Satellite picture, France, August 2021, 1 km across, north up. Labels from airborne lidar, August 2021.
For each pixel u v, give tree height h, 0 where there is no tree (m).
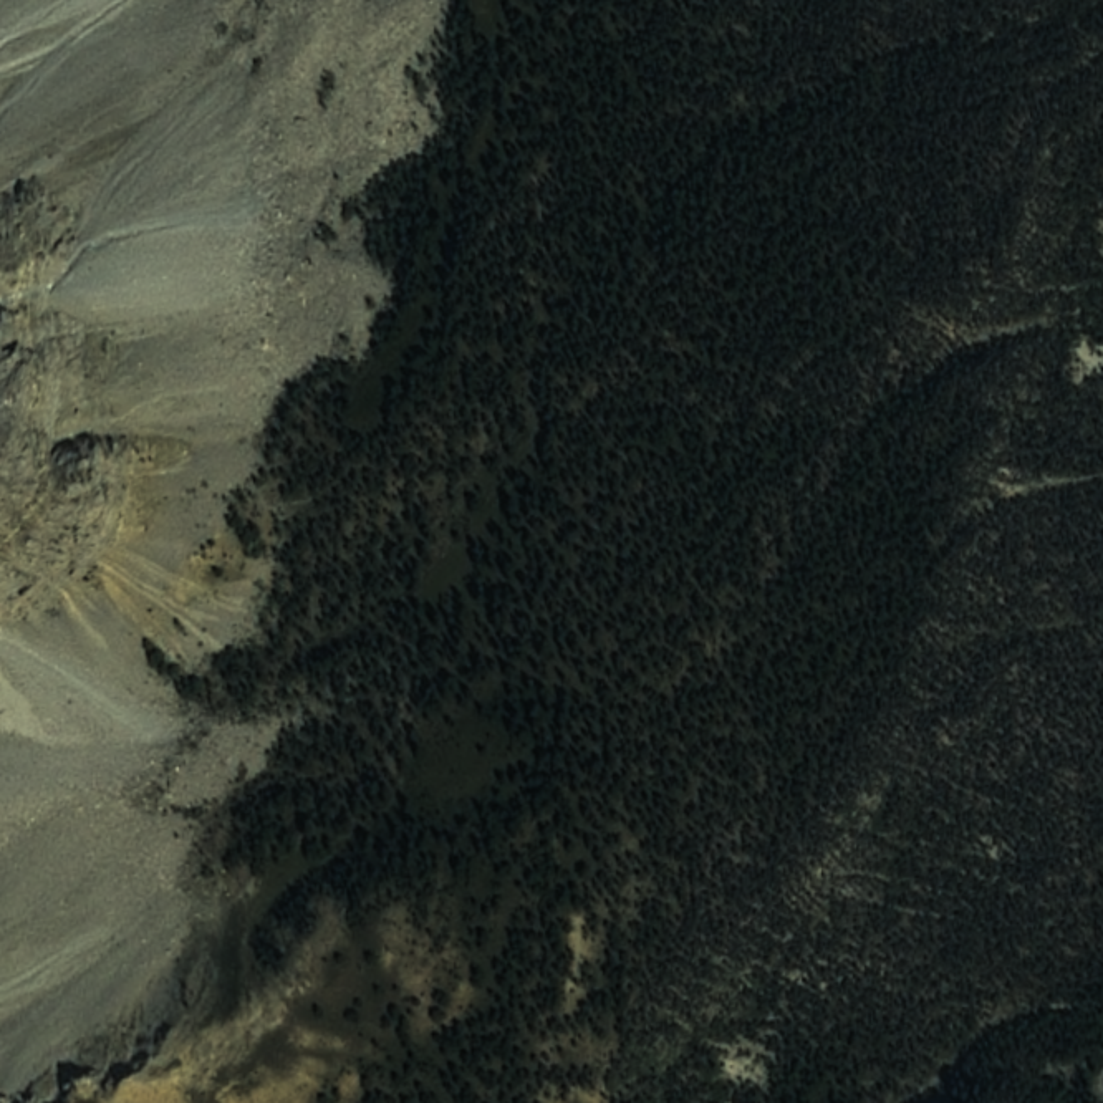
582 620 18
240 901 0
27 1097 0
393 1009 11
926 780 11
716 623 15
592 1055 0
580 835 13
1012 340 10
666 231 22
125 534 0
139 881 0
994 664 13
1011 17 8
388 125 0
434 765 0
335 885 6
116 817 0
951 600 11
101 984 0
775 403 12
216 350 0
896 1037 22
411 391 16
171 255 0
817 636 8
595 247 19
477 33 14
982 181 10
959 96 19
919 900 16
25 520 0
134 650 0
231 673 11
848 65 10
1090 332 8
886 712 13
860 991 14
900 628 11
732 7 11
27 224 0
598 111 19
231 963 0
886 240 21
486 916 10
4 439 0
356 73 0
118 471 0
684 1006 11
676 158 12
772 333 18
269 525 0
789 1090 9
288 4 0
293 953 0
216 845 0
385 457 10
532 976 14
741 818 8
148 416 0
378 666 12
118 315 0
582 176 20
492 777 0
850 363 18
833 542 16
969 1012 10
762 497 13
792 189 14
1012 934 17
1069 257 11
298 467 8
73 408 0
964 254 7
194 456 0
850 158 18
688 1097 15
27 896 0
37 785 0
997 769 16
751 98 10
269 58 0
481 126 19
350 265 0
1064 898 14
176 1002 0
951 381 11
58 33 0
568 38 19
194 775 0
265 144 0
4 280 0
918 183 11
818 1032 10
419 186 21
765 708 15
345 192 0
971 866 10
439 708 20
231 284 0
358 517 7
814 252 12
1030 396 9
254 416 0
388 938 0
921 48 13
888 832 7
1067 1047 18
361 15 0
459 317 15
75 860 0
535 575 12
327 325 0
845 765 14
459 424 7
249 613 0
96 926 0
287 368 0
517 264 15
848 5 17
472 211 16
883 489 15
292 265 0
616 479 12
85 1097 0
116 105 0
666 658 13
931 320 11
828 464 15
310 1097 0
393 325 16
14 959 0
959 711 16
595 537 20
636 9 12
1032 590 11
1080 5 9
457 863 12
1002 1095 13
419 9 0
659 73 10
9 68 0
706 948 11
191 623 0
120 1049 0
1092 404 11
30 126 0
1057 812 7
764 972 13
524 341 21
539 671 18
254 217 0
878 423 8
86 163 0
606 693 18
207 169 0
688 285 18
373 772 11
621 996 13
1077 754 18
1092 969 13
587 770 18
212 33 0
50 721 0
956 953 7
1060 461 16
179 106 0
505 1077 10
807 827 15
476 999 0
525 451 0
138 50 0
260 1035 0
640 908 7
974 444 15
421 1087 14
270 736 0
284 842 17
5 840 0
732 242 15
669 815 14
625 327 14
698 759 15
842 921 12
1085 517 12
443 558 0
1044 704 14
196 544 0
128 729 0
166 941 0
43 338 0
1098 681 12
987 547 12
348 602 10
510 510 21
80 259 0
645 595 7
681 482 16
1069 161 9
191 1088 0
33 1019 0
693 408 6
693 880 13
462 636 18
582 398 15
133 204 0
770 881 10
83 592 0
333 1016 0
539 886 7
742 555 8
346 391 21
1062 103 14
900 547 9
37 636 0
